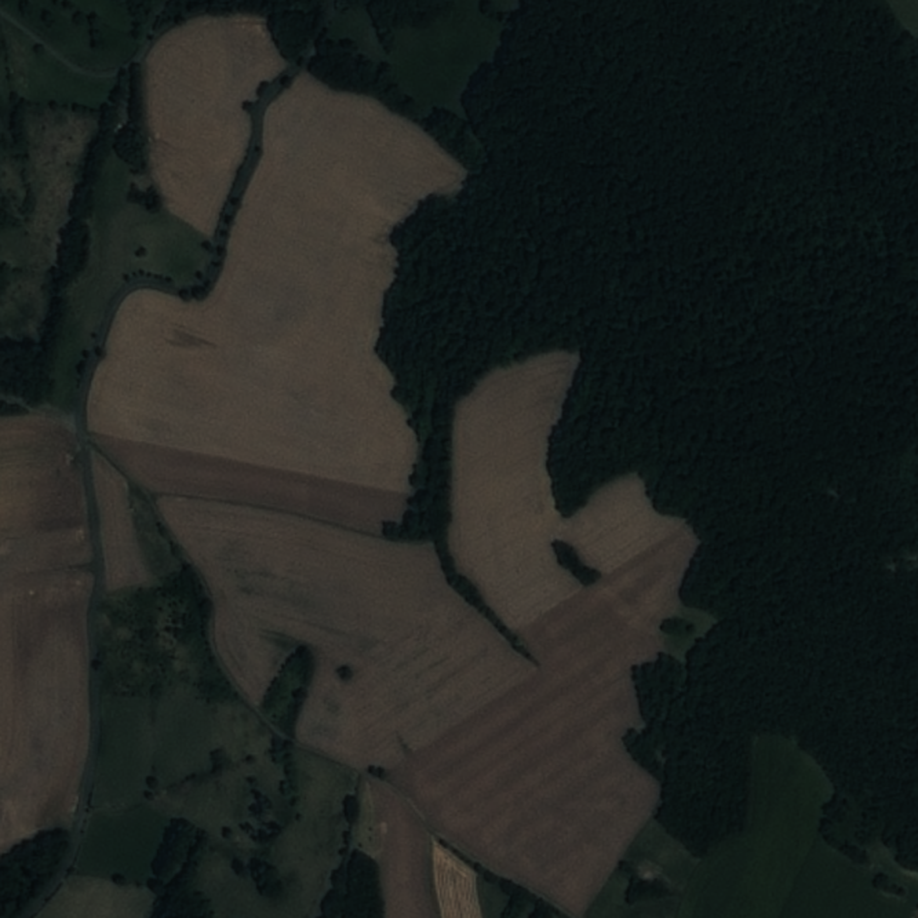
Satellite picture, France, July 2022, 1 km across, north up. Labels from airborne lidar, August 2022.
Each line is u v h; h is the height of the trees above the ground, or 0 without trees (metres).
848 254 21
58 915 0
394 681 0
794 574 17
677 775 11
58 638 0
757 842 0
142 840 0
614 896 0
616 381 19
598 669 0
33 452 0
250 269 0
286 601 0
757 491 9
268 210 0
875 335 17
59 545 0
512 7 0
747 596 17
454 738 0
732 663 18
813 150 18
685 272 21
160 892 14
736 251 19
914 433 11
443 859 0
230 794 0
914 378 14
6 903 19
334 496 0
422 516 11
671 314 22
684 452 7
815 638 19
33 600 0
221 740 0
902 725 16
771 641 14
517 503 0
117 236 0
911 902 0
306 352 0
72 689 0
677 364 19
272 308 0
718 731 19
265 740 0
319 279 0
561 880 0
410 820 0
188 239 0
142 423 0
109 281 0
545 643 0
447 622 0
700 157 15
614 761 0
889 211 18
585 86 22
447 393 14
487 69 13
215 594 0
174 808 0
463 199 15
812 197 17
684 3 18
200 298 14
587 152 25
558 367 0
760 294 21
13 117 12
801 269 24
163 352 0
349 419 0
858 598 18
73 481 0
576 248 21
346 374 0
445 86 0
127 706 0
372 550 0
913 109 24
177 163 0
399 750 0
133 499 0
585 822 0
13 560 0
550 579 0
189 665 0
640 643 0
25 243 0
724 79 19
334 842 0
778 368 18
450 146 17
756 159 18
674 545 0
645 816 0
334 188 0
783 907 0
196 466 0
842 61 18
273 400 0
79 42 0
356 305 0
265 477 0
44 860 21
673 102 16
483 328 19
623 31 21
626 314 24
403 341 10
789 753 0
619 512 0
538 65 23
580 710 0
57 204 0
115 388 0
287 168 0
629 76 18
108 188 0
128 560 0
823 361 19
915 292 19
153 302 0
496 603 0
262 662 0
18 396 16
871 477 10
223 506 0
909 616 16
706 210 20
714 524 15
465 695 0
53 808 0
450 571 15
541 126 24
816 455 16
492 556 0
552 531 0
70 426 0
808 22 19
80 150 0
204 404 0
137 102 15
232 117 0
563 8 21
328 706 0
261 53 0
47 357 24
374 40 0
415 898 0
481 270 23
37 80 0
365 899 14
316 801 0
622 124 21
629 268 24
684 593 14
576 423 17
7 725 0
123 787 0
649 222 21
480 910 0
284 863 0
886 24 22
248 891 0
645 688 14
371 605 0
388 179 0
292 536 0
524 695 0
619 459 10
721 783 16
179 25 12
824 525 11
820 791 0
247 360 0
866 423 16
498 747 0
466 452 0
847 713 15
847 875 0
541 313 20
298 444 0
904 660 12
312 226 0
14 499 0
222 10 14
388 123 0
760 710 18
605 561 0
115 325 0
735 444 17
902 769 15
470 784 0
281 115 0
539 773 0
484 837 0
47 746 0
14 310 0
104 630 0
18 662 0
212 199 0
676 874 0
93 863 0
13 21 0
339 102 0
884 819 9
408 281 11
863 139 21
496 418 0
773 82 21
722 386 18
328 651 0
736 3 14
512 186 24
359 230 0
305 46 18
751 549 16
